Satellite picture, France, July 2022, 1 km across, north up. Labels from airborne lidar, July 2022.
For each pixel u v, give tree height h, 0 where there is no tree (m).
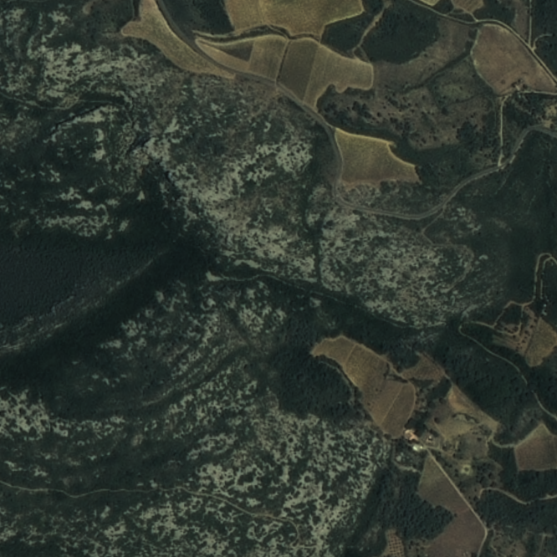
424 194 0
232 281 6
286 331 7
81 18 0
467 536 0
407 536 13
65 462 0
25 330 8
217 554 0
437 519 15
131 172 6
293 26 0
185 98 0
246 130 0
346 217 0
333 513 0
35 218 6
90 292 8
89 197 5
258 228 0
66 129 0
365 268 0
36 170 6
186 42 0
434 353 6
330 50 0
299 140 0
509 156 11
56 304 7
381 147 0
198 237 6
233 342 0
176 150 0
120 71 0
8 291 6
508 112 7
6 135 0
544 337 0
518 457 0
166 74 0
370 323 9
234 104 0
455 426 0
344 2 0
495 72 0
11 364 7
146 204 11
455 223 0
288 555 0
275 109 0
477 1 0
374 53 0
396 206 0
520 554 0
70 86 6
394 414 0
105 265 9
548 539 8
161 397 0
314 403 10
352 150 0
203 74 0
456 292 0
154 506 0
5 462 0
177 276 8
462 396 0
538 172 9
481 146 10
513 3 0
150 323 6
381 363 0
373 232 0
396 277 0
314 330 12
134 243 11
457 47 0
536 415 8
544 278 6
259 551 0
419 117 0
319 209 0
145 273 10
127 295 12
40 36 0
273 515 0
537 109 10
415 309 0
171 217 7
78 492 5
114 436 0
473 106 0
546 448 0
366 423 0
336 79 0
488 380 10
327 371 6
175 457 7
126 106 6
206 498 0
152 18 0
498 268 0
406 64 0
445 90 0
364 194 0
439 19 6
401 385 0
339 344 0
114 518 0
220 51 0
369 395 0
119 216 10
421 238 0
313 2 0
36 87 0
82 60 0
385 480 13
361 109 9
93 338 9
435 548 0
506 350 10
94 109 11
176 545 0
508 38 0
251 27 0
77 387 0
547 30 8
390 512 12
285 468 0
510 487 9
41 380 7
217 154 9
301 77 0
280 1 0
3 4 7
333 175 0
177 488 0
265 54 0
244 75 0
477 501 9
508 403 9
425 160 0
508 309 6
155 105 0
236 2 0
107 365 6
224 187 0
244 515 0
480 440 5
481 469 8
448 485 0
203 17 8
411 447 8
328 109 9
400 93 0
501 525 9
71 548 7
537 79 0
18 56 0
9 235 10
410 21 7
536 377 9
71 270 9
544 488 6
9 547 6
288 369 8
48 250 12
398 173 0
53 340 8
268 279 5
